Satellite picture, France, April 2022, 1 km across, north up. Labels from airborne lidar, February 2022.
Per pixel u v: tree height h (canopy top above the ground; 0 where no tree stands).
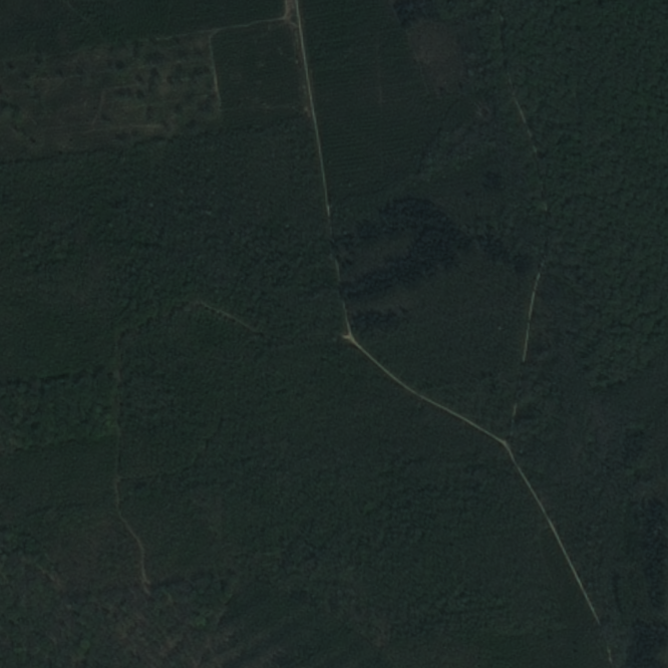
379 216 16
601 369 23
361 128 7
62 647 29
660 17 24
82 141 0
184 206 20
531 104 27
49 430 25
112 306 15
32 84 23
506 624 14
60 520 19
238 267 20
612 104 24
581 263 29
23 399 29
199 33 0
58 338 13
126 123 0
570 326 28
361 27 11
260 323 16
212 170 19
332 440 22
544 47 26
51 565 29
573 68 25
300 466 18
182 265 16
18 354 13
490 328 19
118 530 12
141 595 25
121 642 24
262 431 20
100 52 0
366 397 20
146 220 17
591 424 18
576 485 16
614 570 22
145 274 14
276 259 17
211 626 23
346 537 20
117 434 14
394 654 12
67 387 21
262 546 20
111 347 14
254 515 20
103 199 16
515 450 23
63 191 14
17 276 12
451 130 8
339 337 12
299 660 8
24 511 22
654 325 23
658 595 18
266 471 18
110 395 23
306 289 12
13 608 26
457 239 24
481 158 10
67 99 0
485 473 21
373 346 18
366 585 21
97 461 13
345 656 13
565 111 25
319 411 20
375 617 21
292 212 18
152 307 16
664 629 26
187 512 16
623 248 22
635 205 24
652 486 17
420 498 16
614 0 24
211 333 12
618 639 26
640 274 25
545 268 24
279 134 17
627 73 25
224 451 19
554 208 23
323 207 16
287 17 0
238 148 15
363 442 22
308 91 0
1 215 10
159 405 19
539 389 28
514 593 18
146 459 14
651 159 20
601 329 28
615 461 26
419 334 17
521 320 19
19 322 11
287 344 18
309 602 18
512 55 22
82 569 15
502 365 20
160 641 23
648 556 22
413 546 17
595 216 27
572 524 17
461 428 18
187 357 15
